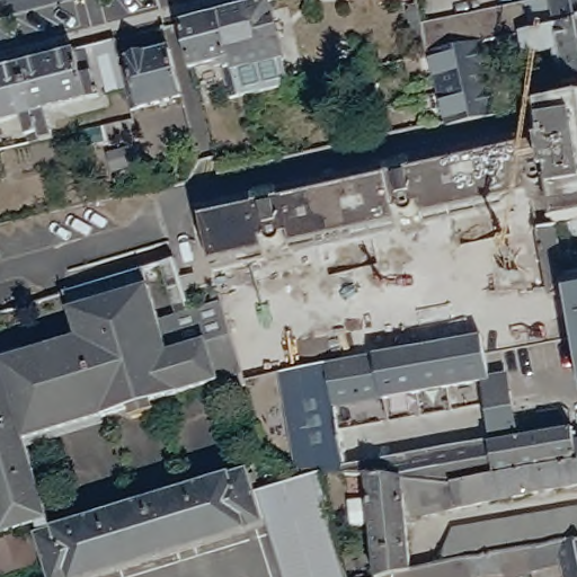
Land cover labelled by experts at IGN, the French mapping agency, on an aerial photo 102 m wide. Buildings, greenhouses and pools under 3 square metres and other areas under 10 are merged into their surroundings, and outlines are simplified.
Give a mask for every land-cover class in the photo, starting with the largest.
<instances>
[{"label":"building","instance_id":"1","mask_svg":"<svg viewBox=\"0 0 577 577\"><path fill-rule=\"evenodd\" d=\"M284 0H223L180 14L178 25H174V32L165 34L162 43L122 50L117 54L122 86L126 104L133 106V113L151 106H167L183 97V86L174 59L176 54H185L187 63L201 59H216L221 63V70H230L234 90H239L241 86L275 79V56L282 52V45L275 29L273 9L282 7ZM421 36V47H426V56L428 79L433 81V88L428 90L430 106L437 108L440 126H455L494 117V97L489 90L482 88L478 74L480 54L496 56V52L505 47L507 41H514L516 36L521 47L530 50H548L550 54L563 59L570 68L577 70V0H514L503 5V14H496L494 7H485L480 11L458 9L455 16L426 20H417V29ZM95 81L90 79L88 70L86 45H59L52 50L0 61V117L16 115L23 128H36L32 133L36 137H38L45 133L47 126L43 115L45 104L92 92ZM575 86L530 95V104L525 108L523 140L514 137L489 147H476L462 153L403 162L399 169H372L282 192L255 187L246 198L239 201L189 207L192 223L198 230L201 246L210 257V264L216 266H241L248 273H255L270 264L273 255L291 257L295 248L311 243H329L343 237H365L385 230L401 232L406 225L426 228L433 219H444L451 214L482 207L487 210V214H494V205L503 201L507 192L518 187L525 189L530 198L545 189V194L552 196V205L557 207L548 214V219L566 221L568 230L577 237V79L572 81ZM92 142L95 160L101 167L124 171L128 160L124 151L106 153L104 147L95 144V140H99L101 135L99 128L88 131ZM156 279H147L140 270L83 289H74L61 295L59 313H65L68 318V334L0 352V577H2L5 572L25 568L29 563L43 566V577H137L162 566H174L185 559L201 557L205 552L225 550L232 539L250 534L252 530H261L264 525H268L270 530V541L277 554L282 577H345V575L340 570L327 523L320 509L322 489L316 471L331 473L356 471V482H365V496L361 498L370 554L374 557L379 568L374 577H518L527 568L534 570L548 566H561V577H577V536H566L539 545L496 550L476 557H460V552L444 550L440 552L435 548L415 554L410 550L412 532L406 525L410 521H419L424 514L442 512L455 505H467L473 500H489L491 505L512 503L516 500L514 491L518 489H545L554 485L577 482V433L568 426H548L505 437H473L401 453H388L381 455V460L394 462L397 473L379 469H358L356 460L347 458L338 462V442L334 430L331 406L345 401L356 403L412 388H430L437 383L476 379V397L480 406L478 421L485 424L487 430L514 426L516 410L509 406L507 376L503 374V370L489 372L491 361L487 358V352L489 334L482 329L478 331L476 327L471 334L376 347L365 349V354L327 358L320 367L311 365L309 370L286 372L277 379L284 403L286 435L291 444L286 451L295 476L284 478L279 482L275 480V476H264L261 469H239V464H232L228 469L198 473L194 478L176 480L142 494L101 503L83 512L65 514L61 518L47 521L45 512V507L36 498L38 485L34 480L29 444L36 437H61L65 433H74L88 426H99L104 417L110 415H122L124 419H140L151 408L153 399L174 397L201 388L216 379L219 370L237 374L239 367L230 329L223 316V307L219 300L203 307H192L187 300L180 302V313L158 316L153 295ZM570 347V358L566 363L577 361V279L559 284Z\"/></svg>","mask_w":577,"mask_h":577},{"label":"impervious surface","instance_id":"2","mask_svg":"<svg viewBox=\"0 0 577 577\"><path fill-rule=\"evenodd\" d=\"M223 0H0V61L52 50L59 45H86L88 70L90 79L95 81L92 92L45 104L43 115L47 126L45 133L38 137L52 140L54 128H63L65 124H70L74 115L104 108L108 92L122 86L117 54L122 50L162 43L165 34L174 32V25H178L180 14ZM275 29L282 45V52L275 56V79L241 86L239 90H234L230 70H221V63L216 59H201L187 63L185 54H176L174 59L183 86V97L167 106H151L133 113L124 122H110L99 128L101 135L99 140H95V144L104 147H108V137L113 131L140 124L142 142H135L124 151L128 160H165V156H160V147L165 142H178L185 135L196 137L198 153L205 149H216L221 144L212 137L207 126L205 108L212 104V83H219L223 90H228L230 99L243 97L250 92L275 90L284 72L286 63L300 61L293 25L302 16L298 0H284L282 7L273 9ZM514 0H428L426 20L455 16L458 9L480 11L485 7H494L496 14H503V5ZM577 79V70L570 68L563 59L550 54L548 50H530L525 61L521 113L512 110L509 115L494 117L455 126H440L419 128L412 133L385 137L372 151H334L298 158L230 174H212L214 160L198 158L194 160V167L189 171L192 178L187 185L176 183L153 194H135L124 198L104 196L90 203L52 210L18 221H0V311L36 302L45 295H61L74 289H83L140 270L147 279H156L153 295L158 316L180 313V302L187 300L196 293V289L214 293V284L210 277L216 275V266L210 264V257L201 246L198 230L192 223L189 207L239 201L246 198L255 187L282 192L372 169H399L403 162L462 153L476 147H489L514 137L523 140L525 108L530 104V95L575 86L572 81ZM36 128H23L16 115L0 117V147L29 142L36 137L32 133ZM557 207L552 205V196L545 194V189L530 198V228L539 261V277L543 291L552 293L557 331L552 336H545L543 331L539 336H530V322H509V334L514 336L516 345H496L494 352H487V358L491 361L489 372L503 370V374L507 376L509 406L516 410L514 426L487 430L485 424L478 421L480 406L476 397V379L437 383L430 388H412L356 403L345 401L331 406L334 430L338 442V462L347 458L356 460L358 469H379L397 473L394 462L381 460V455L388 453H401L473 437H505L548 426H568L577 433V361L566 363L570 358V347L559 284L577 279V237L568 230L566 221L548 219V214ZM68 318L65 313H59L41 318L32 327H11L0 331V352L68 334ZM239 383L250 390L252 408L264 435L275 446L286 451L291 444L286 435L284 403L277 379L275 374L246 376V367H239L237 374ZM183 424L187 426V430L180 451H165L147 442L140 419H124L122 415H110L104 417L99 426H88L74 433H65L61 437L81 487L77 489V500L70 507L45 512L47 521L61 518L65 514L83 512L101 503L142 494L176 480L194 478L198 473L228 469L232 464L219 455V449L210 440L212 421L205 417V408L201 401L192 408H183ZM115 426L124 430V446L106 449L101 444V437L108 428ZM516 500L512 503L491 505L489 500H473L467 505H455L442 512L424 514L419 521H410L406 525L412 532L410 550L415 554L435 548L440 552L444 550L460 552V557H476L496 550L539 545L566 536H577V482L554 485L545 489H518L514 491ZM349 523L361 527V543L365 554L354 559L352 570L345 575V577H374L379 568L374 557L370 554L361 498H352L347 512ZM137 577H282L277 554L270 541V530L268 525H264L261 530H252L250 534L232 539L225 550L205 552L201 557L185 559L174 566H162ZM518 577H561V566H548L534 570L527 568Z\"/></svg>","mask_w":577,"mask_h":577},{"label":"pervious surface","instance_id":"3","mask_svg":"<svg viewBox=\"0 0 577 577\"><path fill-rule=\"evenodd\" d=\"M214 284V293L219 300L223 307V316L230 329L239 367H246V376L275 374L277 379L286 372L309 370L311 365L320 367L327 358L365 354V349L376 347L471 334L476 327L478 331L482 329L489 334L487 352H494L496 345H516L514 336L509 334V322H530V336H539L543 331L545 336H552L557 331L552 293L543 291L539 277V261L530 228V198L525 189L518 187L507 192L503 201L494 205V214H487V210L482 207L451 214L444 219H433L426 228L406 225L401 232L385 230L365 237H343L329 243H311L295 248L291 257L273 255L270 264L255 273H248L241 266H216V275L210 277Z\"/></svg>","mask_w":577,"mask_h":577},{"label":"deciduous trees","instance_id":"4","mask_svg":"<svg viewBox=\"0 0 577 577\"><path fill-rule=\"evenodd\" d=\"M302 16L309 23H318L322 18L320 0H298ZM394 45L388 56H379L376 43H372L367 34L354 29L338 32L343 43L340 56L345 59L354 50L356 59L352 61L345 74L336 70L331 72L325 99L307 101L302 106L307 119L320 124L325 137L334 142V151H372L385 137L383 133L390 124V106L410 108L415 113L412 122H417L419 128L440 126L437 108L430 106L428 90L433 88V81L428 79L410 81V70L403 61L426 56V47H421V36L417 29L410 25L406 29H397L392 25ZM530 50L521 47L516 36L514 41H507L505 47L496 52V56L480 54L478 74L482 88L489 90L494 97V117L509 115L512 110L521 113L525 61ZM304 88V72H284L275 90L250 92L243 97V117L239 119V124L246 131V151L228 153L214 160L212 174H230L298 158V151L311 149V140H282L277 133L284 128L286 108L302 106L300 90ZM212 104L221 108L230 99L228 90H223L219 83H212ZM135 142H142L140 124L113 131L108 137V147H104L106 153L124 151ZM160 156H165V160H128L124 171L101 167L95 160L92 142L72 140L54 149L52 160L56 165L52 169V176L43 180V198L52 210L90 203L104 196L124 198L135 194H153L176 183L187 185L192 178L189 171L194 167V160L198 158V153L196 137L185 135L178 142H165L160 147ZM219 300L214 293L196 289V293L187 300L192 307H203ZM41 318L36 302L0 311V331L11 327H32ZM201 401L205 408V417L212 421L210 440L219 449V455L232 464H239V469H261L264 476H275V480L279 482L284 478L295 476L286 451L275 446L264 435L252 408L250 390L239 383L237 374L219 370L216 379L201 388L174 397L153 399L151 408L140 419L147 442L165 451H180L187 430V426L183 424V408H192ZM101 444L106 449L124 446V430L115 426L108 428L101 437ZM34 480L38 485L36 498L45 507V512L70 507L77 500V489L81 487L61 437H36L29 444ZM340 570L345 575L352 570L354 559L365 554L361 543V527L349 523L347 512L343 507L336 509V516L327 523Z\"/></svg>","mask_w":577,"mask_h":577},{"label":"herbaceous vegetation","instance_id":"5","mask_svg":"<svg viewBox=\"0 0 577 577\"><path fill-rule=\"evenodd\" d=\"M322 18L318 23H309L302 16L293 25L300 61L286 63L284 72H304V88L300 90L302 106L307 101L325 99L331 72L336 70L345 74L352 61L356 59L354 50L345 59L340 56L343 43L338 32L354 29L367 34L372 43H376L379 56H388L394 45L392 25L397 29H406L410 25L417 29V20H426L428 0H320ZM403 61L410 70V81L428 79L426 56ZM133 113V106L126 104L122 86L108 92L104 108L74 115L70 124H65L63 128H54L52 140L38 137H36L29 142L0 147V207L18 210L43 198V180L52 176V169L56 165L52 160L54 149L72 140L92 142L88 131L99 128L110 122H124ZM207 126L212 137L221 144L216 149H205L198 153V158L214 160L228 153L246 151V131L239 124V119L243 117V97L230 99L221 108L212 104L205 108ZM282 140H311V149L298 151V158L334 151V142L325 137L320 124L307 119L302 106L286 108L284 128L277 133ZM390 124L383 133L385 137L412 133L419 128L417 122H412L415 113L410 108L390 106ZM41 318L59 313L61 295H45L36 302ZM329 487L331 503L336 509L343 507L347 512L352 498H361L365 496V482H356V471L331 473Z\"/></svg>","mask_w":577,"mask_h":577},{"label":"brushwood","instance_id":"6","mask_svg":"<svg viewBox=\"0 0 577 577\"><path fill-rule=\"evenodd\" d=\"M52 210L43 198L18 210L0 207V221H18ZM322 489L320 509L327 523L336 516V509L331 503L329 487L331 473L316 471ZM43 566L29 563L25 568L5 572L2 577H43Z\"/></svg>","mask_w":577,"mask_h":577}]
</instances>
